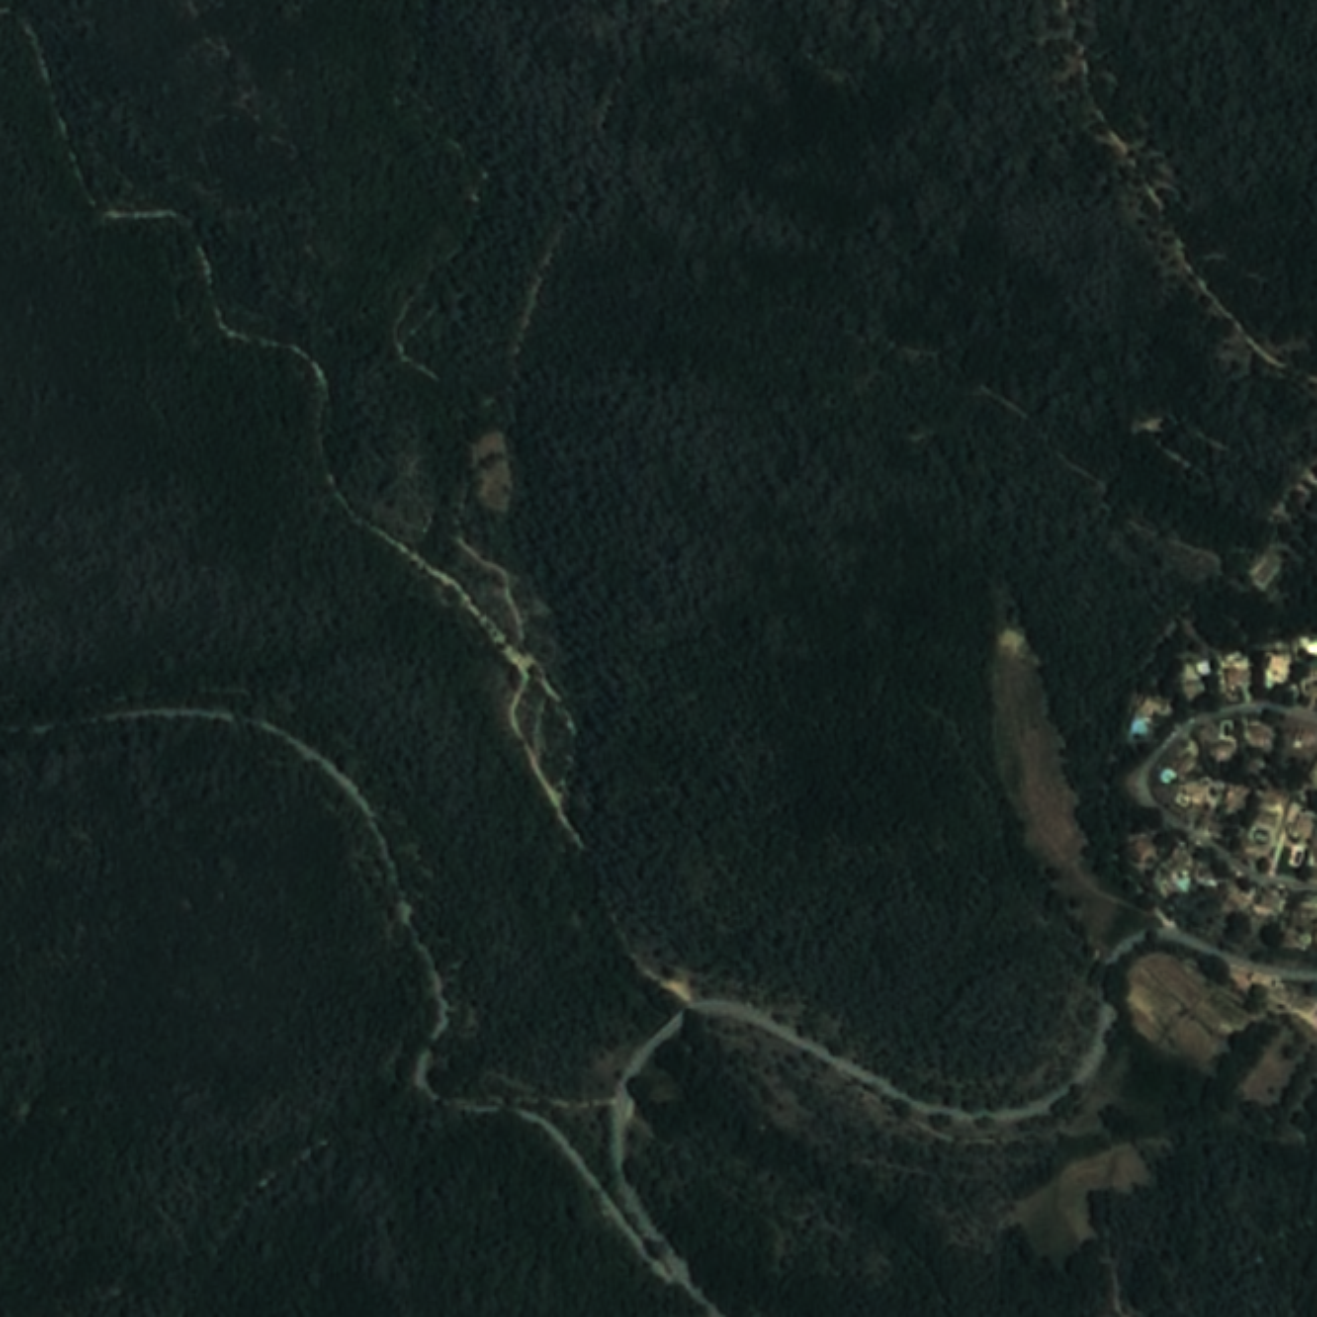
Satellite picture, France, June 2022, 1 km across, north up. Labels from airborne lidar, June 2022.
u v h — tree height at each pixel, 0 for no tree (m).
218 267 7
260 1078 10
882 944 15
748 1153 10
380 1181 17
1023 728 0
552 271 9
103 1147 14
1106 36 11
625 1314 13
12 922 7
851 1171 13
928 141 20
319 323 7
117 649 9
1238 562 13
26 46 10
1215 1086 15
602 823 13
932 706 12
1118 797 9
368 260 10
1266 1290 15
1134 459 10
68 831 15
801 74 15
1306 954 6
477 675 12
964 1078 11
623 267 8
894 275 17
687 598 15
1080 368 15
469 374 8
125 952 8
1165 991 0
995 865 12
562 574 23
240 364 12
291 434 12
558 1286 11
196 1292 17
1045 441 7
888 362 10
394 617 14
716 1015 0
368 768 9
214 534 11
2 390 9
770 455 14
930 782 11
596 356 9
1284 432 19
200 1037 8
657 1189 10
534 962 13
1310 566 9
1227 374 18
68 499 8
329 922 13
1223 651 10
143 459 17
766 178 17
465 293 18
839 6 15
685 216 18
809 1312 16
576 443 19
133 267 11
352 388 14
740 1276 15
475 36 17
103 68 9
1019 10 17
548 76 22
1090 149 17
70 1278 14
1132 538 8
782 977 20
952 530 15
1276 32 16
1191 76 21
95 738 13
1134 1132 7
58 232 14
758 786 9
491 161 21
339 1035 11
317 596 14
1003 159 18
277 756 9
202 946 9
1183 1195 12
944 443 14
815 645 14
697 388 23
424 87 16
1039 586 12
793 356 7
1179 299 13
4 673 10
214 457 11
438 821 10
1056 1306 12
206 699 11
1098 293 19
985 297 15
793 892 14
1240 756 7
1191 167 14
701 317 9
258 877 11
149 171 12
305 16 7
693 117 16
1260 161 21
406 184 10
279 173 6
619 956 18
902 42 11
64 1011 7
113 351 10
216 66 7
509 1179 15
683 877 15
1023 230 17
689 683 10
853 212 15
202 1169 16
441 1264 12
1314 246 12
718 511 19
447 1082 16
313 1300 11
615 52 15
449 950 9
